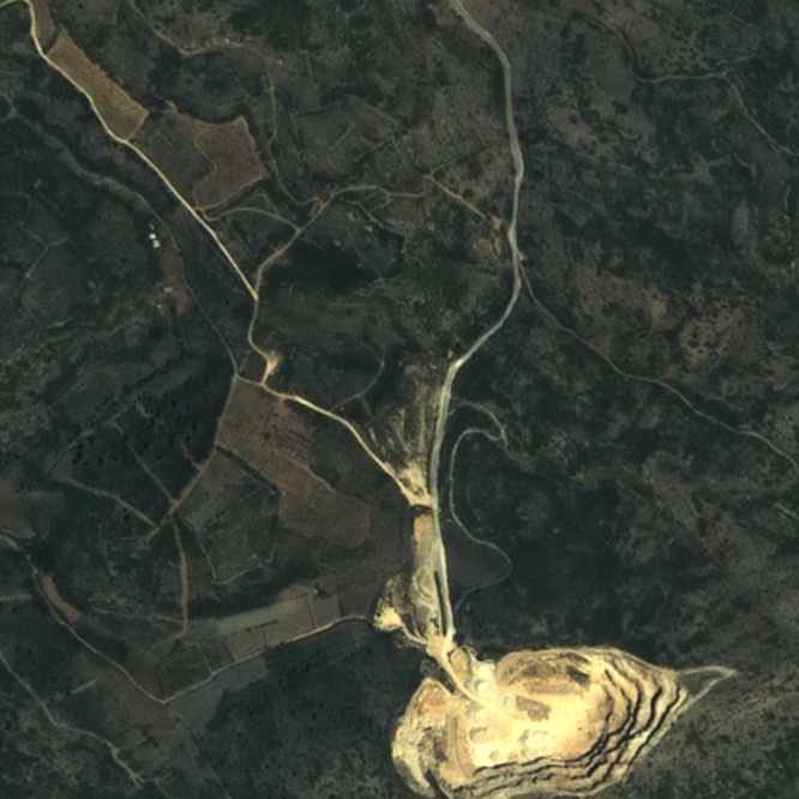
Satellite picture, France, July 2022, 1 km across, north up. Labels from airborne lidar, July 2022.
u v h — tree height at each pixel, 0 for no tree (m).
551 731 0
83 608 6
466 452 0
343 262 0
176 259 0
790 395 0
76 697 10
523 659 0
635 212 0
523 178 0
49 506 0
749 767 0
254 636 0
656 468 0
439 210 0
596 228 0
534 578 0
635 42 0
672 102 0
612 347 0
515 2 0
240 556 0
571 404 0
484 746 0
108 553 0
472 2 0
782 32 0
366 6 0
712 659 0
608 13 0
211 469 0
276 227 0
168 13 0
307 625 0
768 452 0
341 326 0
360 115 0
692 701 0
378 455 0
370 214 0
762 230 0
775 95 0
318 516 0
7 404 0
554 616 0
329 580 0
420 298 0
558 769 0
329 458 0
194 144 0
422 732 0
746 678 0
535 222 0
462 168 0
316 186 0
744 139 0
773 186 0
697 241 0
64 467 0
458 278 0
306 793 0
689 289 0
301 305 0
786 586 0
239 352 0
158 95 0
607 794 0
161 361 0
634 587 0
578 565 0
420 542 0
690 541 0
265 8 0
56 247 0
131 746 0
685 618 0
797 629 0
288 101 0
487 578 0
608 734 0
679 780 0
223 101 0
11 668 0
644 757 0
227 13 0
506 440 0
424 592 0
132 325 0
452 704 0
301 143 0
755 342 0
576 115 0
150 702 0
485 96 0
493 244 0
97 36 0
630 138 0
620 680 0
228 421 0
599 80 0
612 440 0
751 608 0
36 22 0
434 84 0
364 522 0
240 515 0
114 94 0
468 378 0
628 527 0
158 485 0
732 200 0
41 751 0
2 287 0
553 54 0
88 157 0
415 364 0
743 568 0
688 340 0
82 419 0
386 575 0
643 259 0
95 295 0
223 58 0
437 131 0
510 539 0
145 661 0
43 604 6
